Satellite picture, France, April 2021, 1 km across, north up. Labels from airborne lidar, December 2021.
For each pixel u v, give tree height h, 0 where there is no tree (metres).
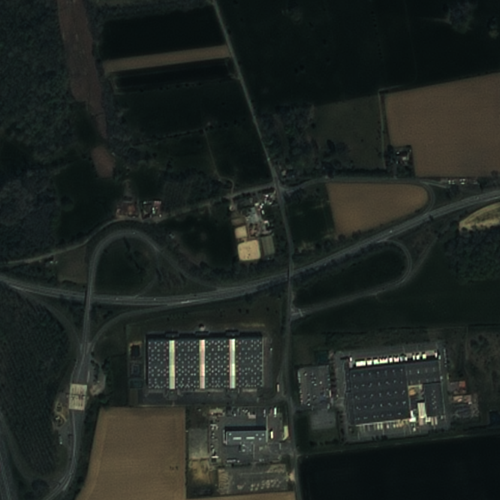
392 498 0
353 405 0
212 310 0
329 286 0
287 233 0
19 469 0
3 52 30
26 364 28
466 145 0
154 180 0
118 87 0
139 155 17
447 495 0
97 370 0
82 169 0
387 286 0
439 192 0
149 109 0
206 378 0
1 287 24
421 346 0
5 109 32
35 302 10
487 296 0
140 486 0
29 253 12
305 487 0
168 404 0
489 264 23
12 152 0
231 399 0
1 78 29
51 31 41
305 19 0
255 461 0
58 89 25
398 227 0
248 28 0
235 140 0
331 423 0
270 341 0
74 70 0
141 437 0
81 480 17
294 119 19
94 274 0
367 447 0
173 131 0
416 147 0
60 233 0
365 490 0
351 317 0
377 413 0
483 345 10
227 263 0
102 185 0
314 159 25
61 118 29
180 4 16
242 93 0
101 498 0
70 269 0
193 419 0
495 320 0
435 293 0
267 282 0
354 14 0
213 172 0
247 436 0
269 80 0
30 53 24
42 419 26
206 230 0
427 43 0
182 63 0
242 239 0
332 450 0
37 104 29
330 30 0
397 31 0
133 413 0
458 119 0
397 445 0
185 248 0
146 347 0
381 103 0
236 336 0
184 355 0
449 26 0
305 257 15
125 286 0
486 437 0
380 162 0
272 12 0
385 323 0
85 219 0
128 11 16
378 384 0
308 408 0
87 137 0
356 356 0
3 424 0
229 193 0
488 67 0
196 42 0
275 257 11
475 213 0
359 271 0
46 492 18
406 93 0
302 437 0
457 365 0
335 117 0
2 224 6
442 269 0
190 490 0
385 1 0
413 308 0
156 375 0
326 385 0
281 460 0
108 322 0
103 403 10
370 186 0
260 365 0
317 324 0
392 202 0
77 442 0
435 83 0
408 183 0
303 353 0
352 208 0
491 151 0
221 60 0
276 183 0
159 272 0
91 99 0
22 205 23
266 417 0
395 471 0
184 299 0
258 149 0
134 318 0
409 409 0
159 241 18
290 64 0
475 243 21
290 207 0
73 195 0
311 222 0
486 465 0
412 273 0
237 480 0
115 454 0
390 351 0
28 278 18
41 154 21
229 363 0
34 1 23
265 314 0
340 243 13
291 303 0
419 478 0
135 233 0
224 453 0
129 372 0
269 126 25
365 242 0
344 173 12
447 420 0
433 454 0
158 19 0
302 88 0
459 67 0
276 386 0
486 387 0
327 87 0
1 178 0
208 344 0
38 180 26
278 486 0
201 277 14
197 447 0
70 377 0
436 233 7
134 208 0
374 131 0
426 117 0
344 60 0
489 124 0
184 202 24
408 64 0
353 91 0
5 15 25
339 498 0
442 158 0
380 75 0
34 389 30
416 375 0
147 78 0
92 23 22
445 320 0
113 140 21
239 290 0
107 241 0
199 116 0
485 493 0
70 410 0
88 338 0
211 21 0
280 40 0
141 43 0
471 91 0
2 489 0
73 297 0
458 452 0
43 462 22
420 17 0
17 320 20
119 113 19
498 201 0
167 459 0
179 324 0
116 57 0
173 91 0
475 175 0
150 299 0
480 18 0
